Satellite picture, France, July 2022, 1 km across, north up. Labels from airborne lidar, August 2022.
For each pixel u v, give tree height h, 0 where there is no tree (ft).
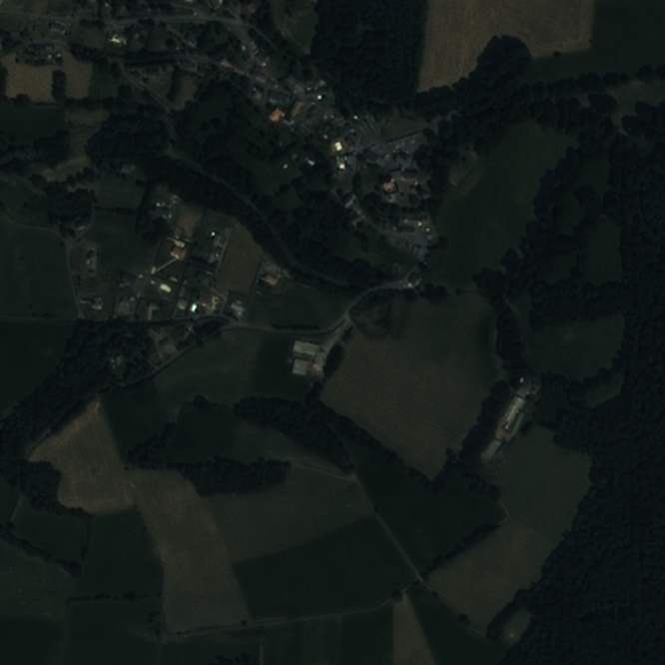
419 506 0
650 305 78
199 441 0
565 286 68
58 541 0
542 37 0
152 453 60
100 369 58
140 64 24
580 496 0
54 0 0
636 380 84
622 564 90
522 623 0
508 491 0
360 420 0
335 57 38
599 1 0
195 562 0
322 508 0
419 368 0
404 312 0
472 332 0
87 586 0
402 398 0
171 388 0
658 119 91
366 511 0
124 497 0
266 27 68
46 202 0
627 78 51
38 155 38
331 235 96
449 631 0
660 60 0
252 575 0
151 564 0
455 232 0
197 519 0
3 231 0
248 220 47
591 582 78
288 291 0
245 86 57
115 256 0
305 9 0
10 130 0
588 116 95
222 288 0
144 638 0
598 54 0
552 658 97
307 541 0
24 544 55
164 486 0
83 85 0
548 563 25
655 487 84
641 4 0
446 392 0
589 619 78
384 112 55
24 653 0
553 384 66
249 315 0
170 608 0
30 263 0
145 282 0
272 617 0
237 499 0
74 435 0
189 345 38
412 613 0
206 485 45
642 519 98
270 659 0
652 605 79
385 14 89
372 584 0
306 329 26
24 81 0
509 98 70
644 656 94
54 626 0
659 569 79
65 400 62
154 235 67
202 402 63
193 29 33
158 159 92
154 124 69
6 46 47
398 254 0
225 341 0
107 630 0
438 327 0
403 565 0
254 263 0
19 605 0
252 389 0
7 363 0
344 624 0
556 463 0
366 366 0
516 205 0
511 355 88
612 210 54
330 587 0
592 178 0
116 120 69
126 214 30
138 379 27
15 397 0
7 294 0
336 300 0
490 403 58
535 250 84
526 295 34
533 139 0
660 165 73
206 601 0
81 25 41
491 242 0
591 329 0
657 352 92
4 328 0
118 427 0
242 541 0
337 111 19
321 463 0
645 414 78
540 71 0
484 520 0
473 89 78
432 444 0
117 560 0
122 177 33
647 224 68
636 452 79
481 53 0
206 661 0
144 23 39
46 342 0
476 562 0
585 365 0
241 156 0
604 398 0
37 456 0
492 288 89
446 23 0
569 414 59
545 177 0
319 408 67
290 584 0
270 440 0
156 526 0
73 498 0
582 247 64
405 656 0
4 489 0
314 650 0
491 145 87
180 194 53
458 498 0
